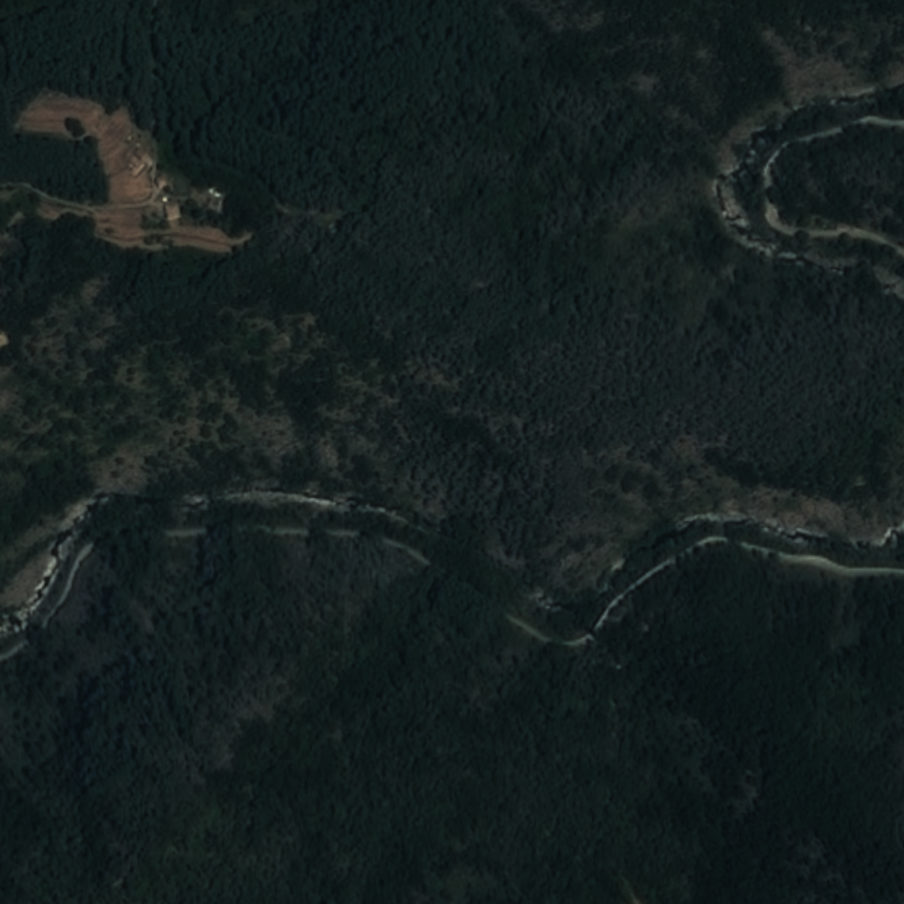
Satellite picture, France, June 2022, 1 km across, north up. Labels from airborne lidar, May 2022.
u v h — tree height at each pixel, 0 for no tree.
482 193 19
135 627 20
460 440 14
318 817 14
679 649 11
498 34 32
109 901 9
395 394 20
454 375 14
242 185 9
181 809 7
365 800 15
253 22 6
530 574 6
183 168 9
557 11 6
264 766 18
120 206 0
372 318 20
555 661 23
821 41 8
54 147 31
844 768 19
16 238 10
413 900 9
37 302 14
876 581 15
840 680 17
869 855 13
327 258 24
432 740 15
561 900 13
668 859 16
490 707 9
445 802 16
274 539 7
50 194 11
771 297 7
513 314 24
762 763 11
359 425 10
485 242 19
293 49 32
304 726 24
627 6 12
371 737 18
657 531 12
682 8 16
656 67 11
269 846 9
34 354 13
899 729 8
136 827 9
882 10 17
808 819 19
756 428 26
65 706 16
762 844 18
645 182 7
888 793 10
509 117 33
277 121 26
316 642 9
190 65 25
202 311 13
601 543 9
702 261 7
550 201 18
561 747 22
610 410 23
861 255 7
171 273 31
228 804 17
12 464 10
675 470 18
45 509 10
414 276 23
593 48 14
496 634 21
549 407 24
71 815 19
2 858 16
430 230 19
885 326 17
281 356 11
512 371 16
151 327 16
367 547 20
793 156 7
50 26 32
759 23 7
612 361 22
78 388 8
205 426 8
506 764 21
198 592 7
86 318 9
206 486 10
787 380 23
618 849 18
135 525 16
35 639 19
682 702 11
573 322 19
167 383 12
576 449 21
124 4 32
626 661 21
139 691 19
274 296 14
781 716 23
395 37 37
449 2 39
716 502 7
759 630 21
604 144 21
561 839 18
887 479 11
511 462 16
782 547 13
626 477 6
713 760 13
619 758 10
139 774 13
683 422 27
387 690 22
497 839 17
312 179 28
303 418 9
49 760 11
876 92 8
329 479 10
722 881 23
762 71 14
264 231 21
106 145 0
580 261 15
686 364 19
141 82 32
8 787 9
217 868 11
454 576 20
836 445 13
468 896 12
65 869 19
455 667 20
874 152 11
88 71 31
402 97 29
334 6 29
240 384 13
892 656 19
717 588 14
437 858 16
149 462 12
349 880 13
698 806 23
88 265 11
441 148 19
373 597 7
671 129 8
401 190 22
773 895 14
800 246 16
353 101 29
